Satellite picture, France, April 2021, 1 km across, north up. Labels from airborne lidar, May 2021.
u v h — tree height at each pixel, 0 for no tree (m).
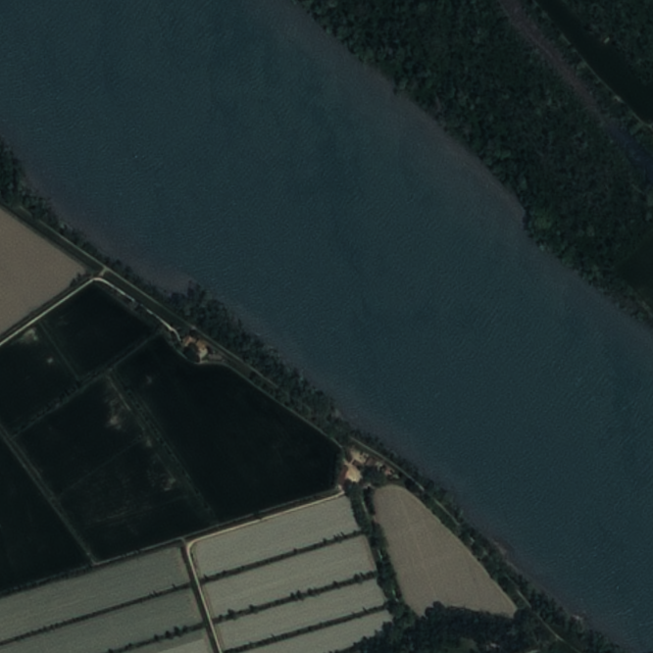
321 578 0
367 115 0
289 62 0
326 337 0
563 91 11
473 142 15
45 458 0
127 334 0
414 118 0
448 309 0
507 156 21
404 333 0
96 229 0
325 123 0
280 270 0
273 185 0
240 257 0
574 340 0
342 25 20
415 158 0
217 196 0
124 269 15
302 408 17
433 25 19
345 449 5
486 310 0
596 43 0
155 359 0
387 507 0
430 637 11
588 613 0
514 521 0
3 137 14
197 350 7
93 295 0
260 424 0
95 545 0
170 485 0
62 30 0
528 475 0
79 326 0
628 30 19
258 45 0
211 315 13
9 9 0
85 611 0
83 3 0
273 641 7
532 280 0
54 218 9
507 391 0
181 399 0
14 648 0
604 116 11
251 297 0
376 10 22
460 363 0
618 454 0
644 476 0
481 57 12
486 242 0
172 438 0
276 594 0
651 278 0
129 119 0
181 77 0
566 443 0
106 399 0
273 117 0
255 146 0
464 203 0
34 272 0
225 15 0
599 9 25
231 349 13
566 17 0
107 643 0
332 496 0
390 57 11
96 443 0
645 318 7
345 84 0
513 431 0
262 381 12
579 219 14
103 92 0
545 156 18
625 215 11
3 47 0
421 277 0
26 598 0
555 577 0
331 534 0
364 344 0
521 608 12
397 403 0
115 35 0
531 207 25
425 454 0
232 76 0
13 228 0
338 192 0
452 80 10
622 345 0
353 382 0
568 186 7
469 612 14
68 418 0
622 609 0
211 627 0
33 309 0
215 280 0
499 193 0
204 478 0
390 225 0
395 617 19
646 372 0
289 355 0
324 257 0
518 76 9
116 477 0
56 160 0
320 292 0
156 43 0
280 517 0
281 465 0
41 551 0
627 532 0
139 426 0
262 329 0
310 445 0
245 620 0
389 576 8
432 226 0
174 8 0
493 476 0
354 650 7
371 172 0
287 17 0
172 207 0
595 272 17
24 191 18
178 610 0
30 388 0
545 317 0
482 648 13
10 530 0
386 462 0
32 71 0
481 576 0
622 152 9
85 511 0
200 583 0
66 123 0
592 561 0
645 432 0
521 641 8
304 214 0
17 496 0
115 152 0
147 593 0
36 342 0
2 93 0
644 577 0
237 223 0
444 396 0
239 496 0
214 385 0
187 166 0
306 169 0
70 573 9
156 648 0
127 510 0
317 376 0
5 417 0
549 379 0
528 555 0
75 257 0
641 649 0
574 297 0
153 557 0
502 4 10
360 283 0
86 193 0
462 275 0
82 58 0
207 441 0
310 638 0
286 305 0
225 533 0
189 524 0
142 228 0
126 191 0
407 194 0
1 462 0
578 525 0
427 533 0
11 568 0
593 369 0
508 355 0
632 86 0
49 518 0
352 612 0
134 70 0
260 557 0
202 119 0
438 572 0
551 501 0
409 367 0
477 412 0
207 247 0
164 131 0
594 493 0
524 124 14
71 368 0
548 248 23
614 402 0
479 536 14
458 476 0
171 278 0
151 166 0
